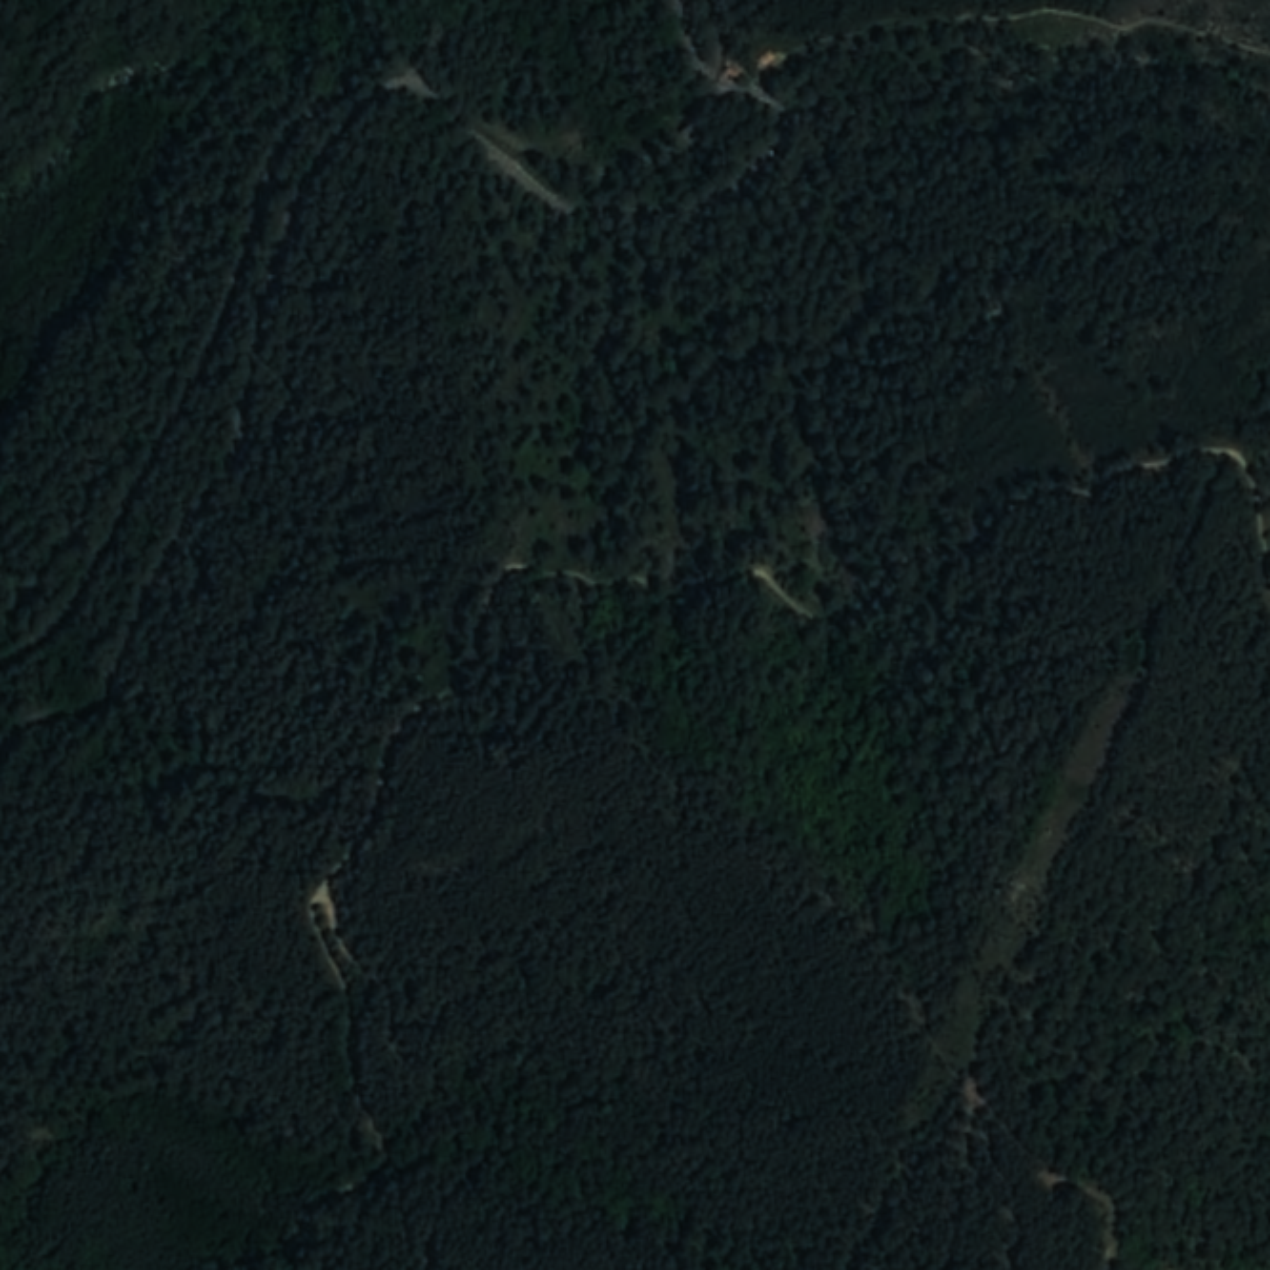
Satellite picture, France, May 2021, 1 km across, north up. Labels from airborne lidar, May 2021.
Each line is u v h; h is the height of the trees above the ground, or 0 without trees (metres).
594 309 23
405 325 28
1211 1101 27
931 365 26
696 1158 28
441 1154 34
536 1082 30
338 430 31
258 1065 30
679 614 20
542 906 19
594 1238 29
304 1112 29
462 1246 28
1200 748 31
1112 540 27
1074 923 28
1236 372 7
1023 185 28
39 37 19
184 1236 12
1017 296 16
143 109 15
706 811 11
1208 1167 24
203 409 34
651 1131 32
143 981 33
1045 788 14
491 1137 32
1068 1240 24
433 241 27
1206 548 25
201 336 29
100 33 41
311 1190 12
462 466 14
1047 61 33
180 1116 12
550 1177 34
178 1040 16
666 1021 26
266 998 11
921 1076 18
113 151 11
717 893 21
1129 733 23
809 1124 25
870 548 24
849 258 34
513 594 15
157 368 27
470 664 10
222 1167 11
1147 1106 29
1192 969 40
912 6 7
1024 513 25
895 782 35
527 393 21
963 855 10
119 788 30
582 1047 30
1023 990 22
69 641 27
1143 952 41
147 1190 14
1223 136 34
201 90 32
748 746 17
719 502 27
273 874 19
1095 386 0
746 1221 29
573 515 7
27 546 36
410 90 13
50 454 39
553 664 16
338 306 18
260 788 30
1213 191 25
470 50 29
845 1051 15
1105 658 18
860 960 13
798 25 7
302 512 29
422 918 21
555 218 25
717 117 35
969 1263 25
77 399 38
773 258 31
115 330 25
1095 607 24
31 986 22
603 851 18
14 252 14
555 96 24
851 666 30
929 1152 13
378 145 22
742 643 26
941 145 33
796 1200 27
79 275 16
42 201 12
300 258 27
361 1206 17
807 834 12
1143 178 26
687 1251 40
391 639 31
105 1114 7
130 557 28
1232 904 30
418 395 13
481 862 15
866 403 27
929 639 23
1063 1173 30
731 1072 27
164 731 29
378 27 11
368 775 20
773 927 22
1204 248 23
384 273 23
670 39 19
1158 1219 34
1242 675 26
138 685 31
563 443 29
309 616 27
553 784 18
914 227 30
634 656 23
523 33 22
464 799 21
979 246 32
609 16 20
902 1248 25
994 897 9
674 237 36
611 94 28
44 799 29
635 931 23
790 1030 15
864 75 25
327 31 23
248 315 34
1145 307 27
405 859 16
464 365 16
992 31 22
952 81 31
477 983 26
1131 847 31
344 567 9
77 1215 16
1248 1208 33
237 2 15
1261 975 34
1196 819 31
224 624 26
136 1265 15
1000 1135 23
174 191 33
